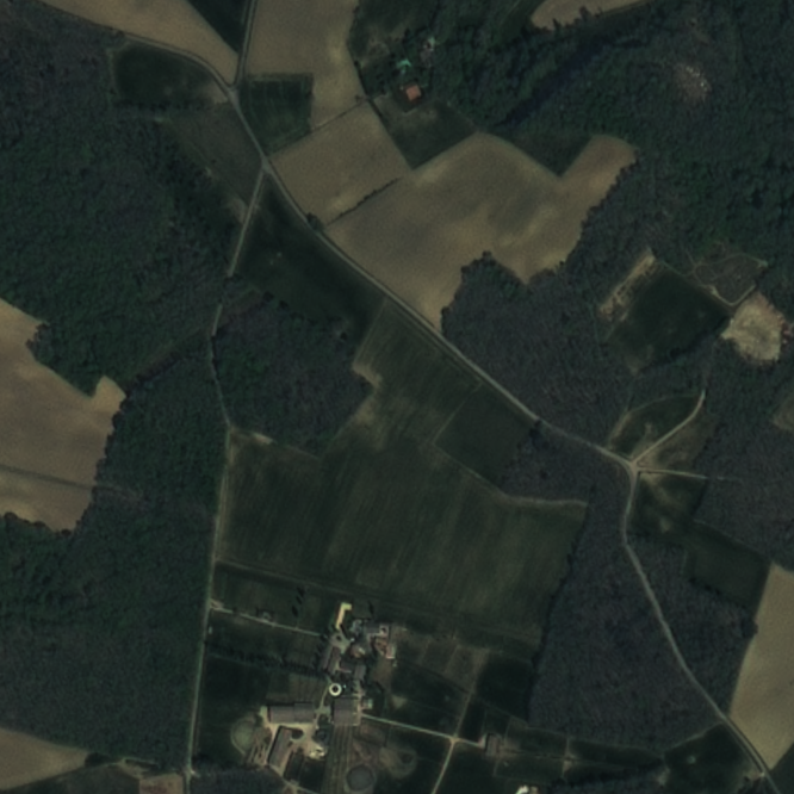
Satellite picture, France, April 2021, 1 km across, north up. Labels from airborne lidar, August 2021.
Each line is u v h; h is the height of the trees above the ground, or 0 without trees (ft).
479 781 0
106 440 0
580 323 60
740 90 91
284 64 0
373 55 0
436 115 0
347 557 0
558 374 59
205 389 75
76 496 0
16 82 53
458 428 0
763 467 45
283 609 0
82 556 78
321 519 0
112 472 66
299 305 0
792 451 59
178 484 69
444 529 0
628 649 72
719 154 102
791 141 96
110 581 60
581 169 0
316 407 68
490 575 0
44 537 69
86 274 82
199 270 26
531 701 56
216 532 40
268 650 0
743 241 60
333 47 0
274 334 65
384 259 0
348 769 0
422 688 0
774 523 32
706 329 0
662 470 0
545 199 0
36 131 65
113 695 76
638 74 65
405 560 0
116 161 72
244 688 0
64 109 66
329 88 0
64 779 0
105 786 0
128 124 61
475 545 0
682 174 42
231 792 73
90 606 47
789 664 0
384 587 0
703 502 42
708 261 0
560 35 48
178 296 31
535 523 0
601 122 54
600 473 55
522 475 47
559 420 53
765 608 0
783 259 86
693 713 56
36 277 58
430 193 0
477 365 50
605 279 63
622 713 69
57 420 0
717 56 52
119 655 55
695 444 0
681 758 0
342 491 0
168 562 78
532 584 0
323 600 0
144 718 68
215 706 0
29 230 61
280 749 0
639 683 52
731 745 0
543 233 0
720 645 41
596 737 69
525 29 0
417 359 0
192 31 0
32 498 0
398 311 0
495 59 82
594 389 68
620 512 51
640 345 0
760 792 0
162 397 77
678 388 51
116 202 58
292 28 0
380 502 0
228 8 0
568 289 62
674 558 42
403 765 0
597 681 65
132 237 75
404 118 0
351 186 0
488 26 67
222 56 0
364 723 0
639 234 64
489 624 0
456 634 0
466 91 66
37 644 68
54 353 63
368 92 27
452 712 0
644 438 0
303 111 0
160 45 0
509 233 0
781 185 111
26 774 0
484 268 52
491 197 0
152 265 78
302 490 0
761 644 0
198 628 67
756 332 0
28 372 0
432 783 0
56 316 49
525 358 53
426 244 0
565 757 0
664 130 83
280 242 0
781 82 83
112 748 63
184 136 0
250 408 68
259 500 0
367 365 0
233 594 0
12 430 0
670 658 54
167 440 57
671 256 72
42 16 61
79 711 68
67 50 57
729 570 0
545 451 54
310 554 0
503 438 0
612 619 41
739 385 52
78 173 66
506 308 58
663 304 0
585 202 0
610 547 55
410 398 0
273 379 72
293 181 0
